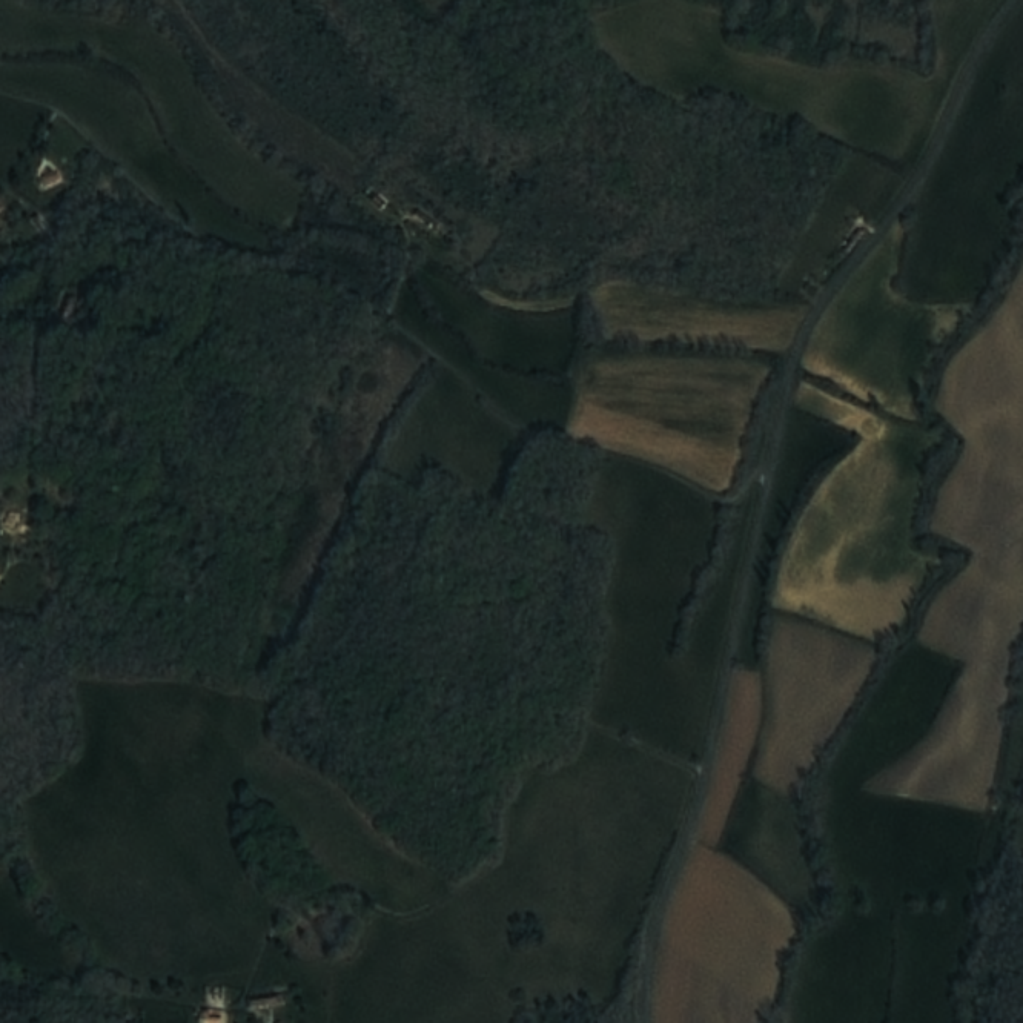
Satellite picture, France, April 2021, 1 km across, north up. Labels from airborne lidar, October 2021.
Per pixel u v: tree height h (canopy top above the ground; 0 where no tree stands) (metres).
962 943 0
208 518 18
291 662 23
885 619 0
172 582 28
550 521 23
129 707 0
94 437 6
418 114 15
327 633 12
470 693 18
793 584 0
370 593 9
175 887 0
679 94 0
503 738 23
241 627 20
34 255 13
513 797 22
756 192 18
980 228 0
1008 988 20
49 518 19
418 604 14
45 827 0
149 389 24
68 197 7
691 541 0
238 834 15
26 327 22
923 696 0
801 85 0
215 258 24
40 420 22
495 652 15
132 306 29
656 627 0
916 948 0
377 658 12
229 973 0
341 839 0
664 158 17
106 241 25
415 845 22
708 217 16
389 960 0
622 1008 17
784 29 7
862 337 0
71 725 15
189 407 25
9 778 16
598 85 19
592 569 25
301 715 19
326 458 8
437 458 0
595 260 13
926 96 0
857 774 0
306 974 0
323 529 0
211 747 0
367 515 17
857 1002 0
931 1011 0
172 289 28
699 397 0
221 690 11
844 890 0
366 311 27
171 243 19
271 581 16
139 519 25
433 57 22
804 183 22
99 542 27
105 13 27
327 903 17
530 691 21
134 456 23
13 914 0
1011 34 0
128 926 0
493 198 10
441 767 24
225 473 24
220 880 0
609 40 0
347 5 21
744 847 0
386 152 7
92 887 0
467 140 17
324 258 7
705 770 0
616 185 20
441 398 0
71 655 22
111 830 0
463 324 0
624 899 0
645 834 0
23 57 9
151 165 0
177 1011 0
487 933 0
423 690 15
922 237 0
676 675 0
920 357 0
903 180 0
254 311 18
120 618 25
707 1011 0
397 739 20
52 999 8
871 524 0
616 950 0
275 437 22
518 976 0
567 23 20
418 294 14
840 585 0
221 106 14
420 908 0
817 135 14
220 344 21
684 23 0
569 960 0
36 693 21
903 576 0
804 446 0
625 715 0
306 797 0
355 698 13
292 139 0
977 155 0
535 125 21
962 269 0
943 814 0
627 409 0
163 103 0
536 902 0
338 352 18
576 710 23
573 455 26
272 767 0
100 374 20
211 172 0
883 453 0
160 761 0
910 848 0
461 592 21
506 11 16
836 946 0
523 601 14
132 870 0
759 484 0
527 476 25
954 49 0
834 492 0
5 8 0
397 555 13
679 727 0
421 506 18
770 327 0
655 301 0
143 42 0
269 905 17
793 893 0
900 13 7
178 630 24
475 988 0
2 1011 14
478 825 24
